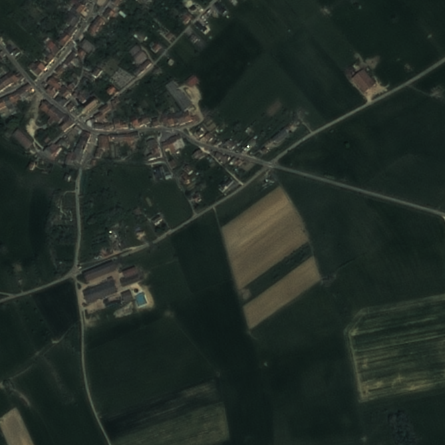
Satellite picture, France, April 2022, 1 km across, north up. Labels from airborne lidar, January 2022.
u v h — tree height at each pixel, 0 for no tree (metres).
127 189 0
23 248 0
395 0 0
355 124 0
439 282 0
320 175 0
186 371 0
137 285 0
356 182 0
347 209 0
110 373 0
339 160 0
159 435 0
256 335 0
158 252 0
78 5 0
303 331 0
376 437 0
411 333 0
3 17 0
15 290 0
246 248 0
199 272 0
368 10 0
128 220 0
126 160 0
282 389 0
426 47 0
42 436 0
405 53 0
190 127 0
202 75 0
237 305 0
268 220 0
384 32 0
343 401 0
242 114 0
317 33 0
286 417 0
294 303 0
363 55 0
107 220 6
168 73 0
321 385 0
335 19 0
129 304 0
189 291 0
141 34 15
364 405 0
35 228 0
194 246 0
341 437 0
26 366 0
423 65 0
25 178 0
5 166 0
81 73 0
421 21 0
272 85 0
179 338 0
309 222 0
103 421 0
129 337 0
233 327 0
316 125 0
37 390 0
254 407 0
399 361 0
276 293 0
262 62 0
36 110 0
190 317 0
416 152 0
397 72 0
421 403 0
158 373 0
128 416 0
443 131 0
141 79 0
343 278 0
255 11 0
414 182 0
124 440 0
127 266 0
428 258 0
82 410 0
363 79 0
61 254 0
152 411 0
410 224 0
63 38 0
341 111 0
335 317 0
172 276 0
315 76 0
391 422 13
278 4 0
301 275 0
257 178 0
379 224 0
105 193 14
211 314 0
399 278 0
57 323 0
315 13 0
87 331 0
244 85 0
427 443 0
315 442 0
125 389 0
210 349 0
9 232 0
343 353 0
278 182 0
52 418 0
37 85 0
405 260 0
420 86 0
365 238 0
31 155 6
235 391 0
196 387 0
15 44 0
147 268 0
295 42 0
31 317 0
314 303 0
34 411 0
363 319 0
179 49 0
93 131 0
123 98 0
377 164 0
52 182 0
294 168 0
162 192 0
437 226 0
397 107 0
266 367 0
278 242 0
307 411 0
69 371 0
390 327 0
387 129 0
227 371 0
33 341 0
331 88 0
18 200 0
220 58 0
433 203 0
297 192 0
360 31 0
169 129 0
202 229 0
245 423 0
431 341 0
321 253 0
